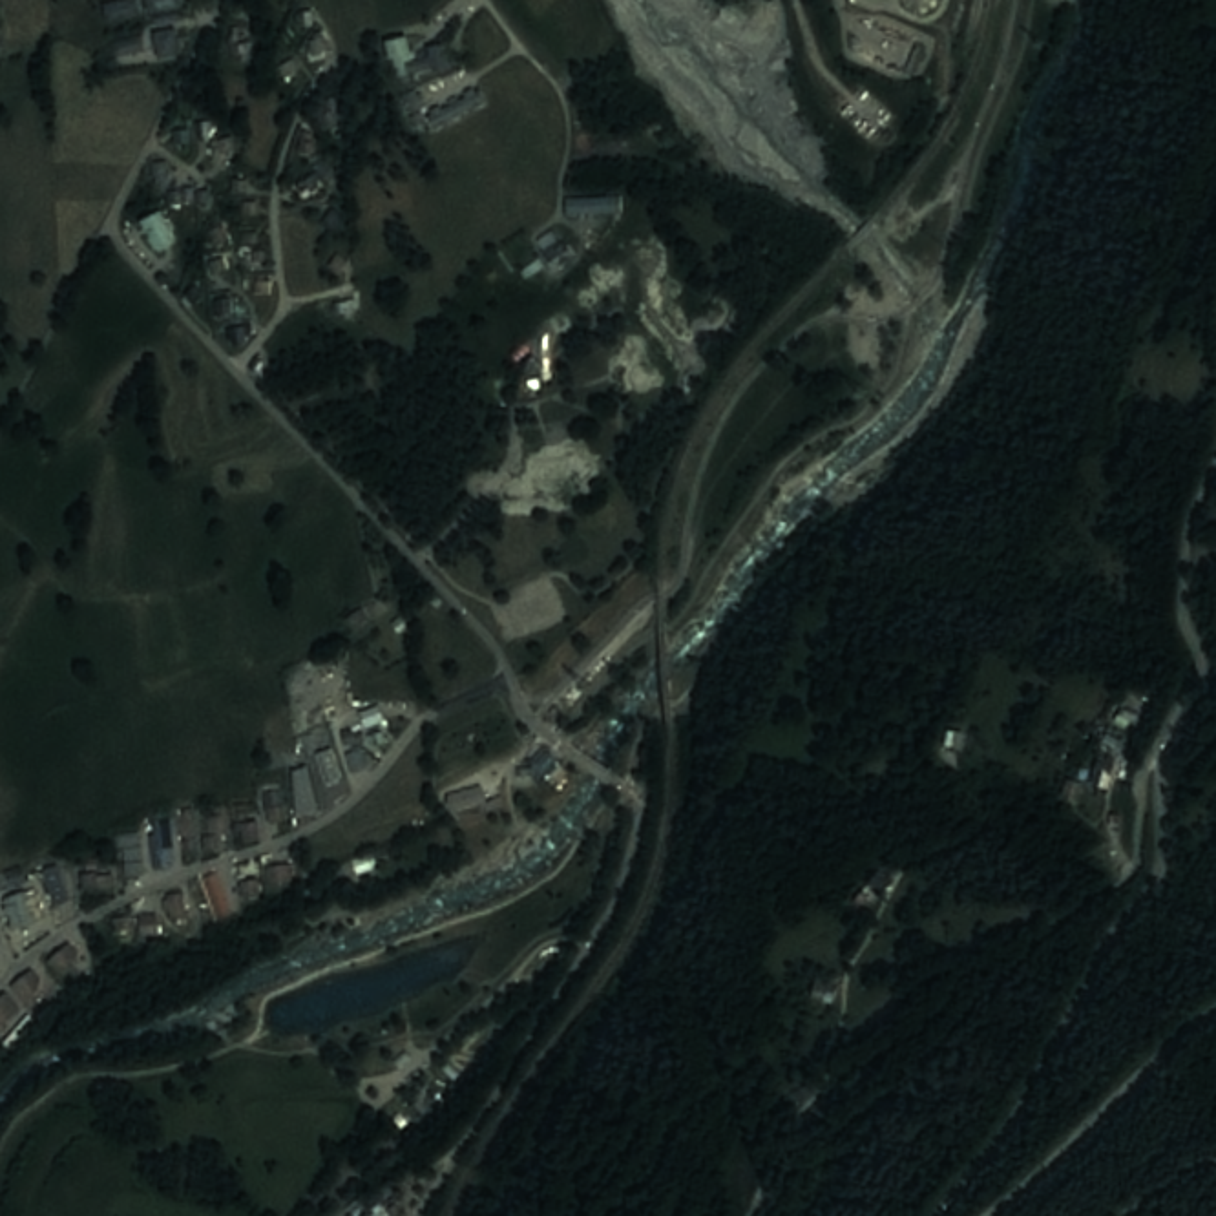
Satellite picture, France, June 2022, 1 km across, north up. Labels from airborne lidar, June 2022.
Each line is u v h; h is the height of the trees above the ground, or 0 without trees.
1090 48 16
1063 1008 15
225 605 0
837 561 8
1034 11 0
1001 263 9
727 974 21
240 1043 0
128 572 0
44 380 0
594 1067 29
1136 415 7
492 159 0
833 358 0
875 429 0
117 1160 0
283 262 0
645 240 0
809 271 10
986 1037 31
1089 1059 21
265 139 0
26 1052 10
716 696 19
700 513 0
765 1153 15
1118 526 13
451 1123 19
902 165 15
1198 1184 19
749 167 0
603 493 10
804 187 0
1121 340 9
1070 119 12
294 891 12
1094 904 24
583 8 0
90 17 0
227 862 0
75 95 0
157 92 0
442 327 18
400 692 0
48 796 0
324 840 0
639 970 27
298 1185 0
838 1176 16
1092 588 12
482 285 0
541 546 0
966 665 16
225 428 0
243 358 0
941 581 26
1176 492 18
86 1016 20
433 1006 0
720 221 13
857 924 17
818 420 12
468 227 0
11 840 0
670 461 22
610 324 16
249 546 0
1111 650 17
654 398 0
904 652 17
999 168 19
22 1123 0
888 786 21
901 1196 21
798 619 17
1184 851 11
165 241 0
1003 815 18
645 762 12
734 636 26
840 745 18
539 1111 20
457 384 20
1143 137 24
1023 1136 15
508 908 0
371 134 23
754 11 0
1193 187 23
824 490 0
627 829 12
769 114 0
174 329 0
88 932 16
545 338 0
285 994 0
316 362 11
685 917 29
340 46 0
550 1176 22
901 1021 26
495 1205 10
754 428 0
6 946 0
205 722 0
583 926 20
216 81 21
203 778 0
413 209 0
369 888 20
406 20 0
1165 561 19
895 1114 32
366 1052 21
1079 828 10
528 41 0
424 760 12
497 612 0
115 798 0
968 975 19
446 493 20
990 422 19
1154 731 16
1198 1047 24
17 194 0
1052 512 17
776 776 24
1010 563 12
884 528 22
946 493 27
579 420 10
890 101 0
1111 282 23
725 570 0
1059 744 8
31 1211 0
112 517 0
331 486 0
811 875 16
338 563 0
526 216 0
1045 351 14
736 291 24
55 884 0
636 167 6
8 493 0
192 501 0
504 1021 14
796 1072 16
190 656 0
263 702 0
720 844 24
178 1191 13
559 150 0
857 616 18
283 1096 0
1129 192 29
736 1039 27
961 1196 18
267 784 0
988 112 0
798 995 8
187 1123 0
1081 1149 8
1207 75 15
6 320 11
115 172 0
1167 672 18
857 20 0
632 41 0
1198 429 24
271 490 0
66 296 15
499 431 16
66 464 0
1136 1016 27
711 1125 22
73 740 0
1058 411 10
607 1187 17
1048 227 22
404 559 17
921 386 0
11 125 13
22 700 0
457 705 0
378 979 0
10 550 0
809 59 0
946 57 0
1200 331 11
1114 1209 15
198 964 17
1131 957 20
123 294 0
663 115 7
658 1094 22
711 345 26
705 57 0
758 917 22
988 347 8
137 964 19
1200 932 20
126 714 0
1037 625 40
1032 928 20
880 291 16
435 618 0
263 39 16
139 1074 0
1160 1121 26
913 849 19
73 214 0
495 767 0
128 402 19
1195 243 8
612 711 24
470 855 20
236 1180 15
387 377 20
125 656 0
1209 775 17
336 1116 0
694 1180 18
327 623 0
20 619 0
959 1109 27
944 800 28
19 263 0
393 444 23
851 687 23
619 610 0
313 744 0
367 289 0
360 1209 0
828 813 28
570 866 0
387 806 0
